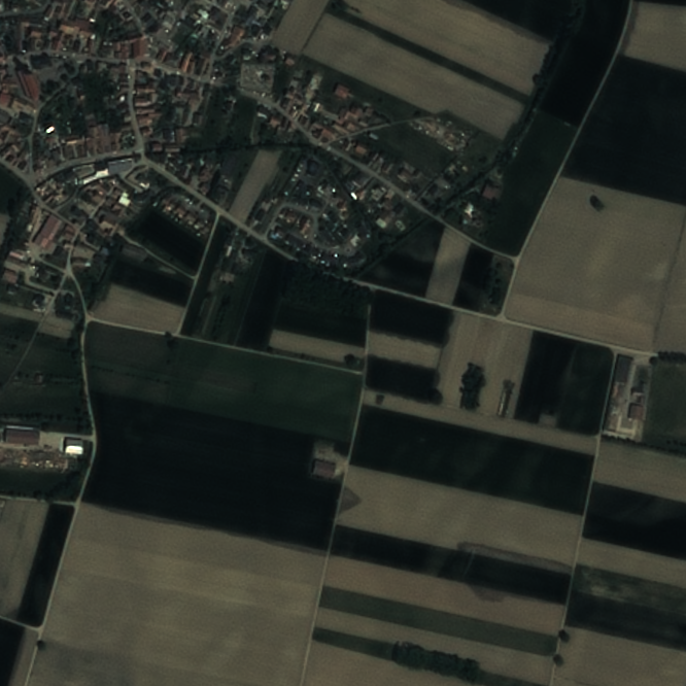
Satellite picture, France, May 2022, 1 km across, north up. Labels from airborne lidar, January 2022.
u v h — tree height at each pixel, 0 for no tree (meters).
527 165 0
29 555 0
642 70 0
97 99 0
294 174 0
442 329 0
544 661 0
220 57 0
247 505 0
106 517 0
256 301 0
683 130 0
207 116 0
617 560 0
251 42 0
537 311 0
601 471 0
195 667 0
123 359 0
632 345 0
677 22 0
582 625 0
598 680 0
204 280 0
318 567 0
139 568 0
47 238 0
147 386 0
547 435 0
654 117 0
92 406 0
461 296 0
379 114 11
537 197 0
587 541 0
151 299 0
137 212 0
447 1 0
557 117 0
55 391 0
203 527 0
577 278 0
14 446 0
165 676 0
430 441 0
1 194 0
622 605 0
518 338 0
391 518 0
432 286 0
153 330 0
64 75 7
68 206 0
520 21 0
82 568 0
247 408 0
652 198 0
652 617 0
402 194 0
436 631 0
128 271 0
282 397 0
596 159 0
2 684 0
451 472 0
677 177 0
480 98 0
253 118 0
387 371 0
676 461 0
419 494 0
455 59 0
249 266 0
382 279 0
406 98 0
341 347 0
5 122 0
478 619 0
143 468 0
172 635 0
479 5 0
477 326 0
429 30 0
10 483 0
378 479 0
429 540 0
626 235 0
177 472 0
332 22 0
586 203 0
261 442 0
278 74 0
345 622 0
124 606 0
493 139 0
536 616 0
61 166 0
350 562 0
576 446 0
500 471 0
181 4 0
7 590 0
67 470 0
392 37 0
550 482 0
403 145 0
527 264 0
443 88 0
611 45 0
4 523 0
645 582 0
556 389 0
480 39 0
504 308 0
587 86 0
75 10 0
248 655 0
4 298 0
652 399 0
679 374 0
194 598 0
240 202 0
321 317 0
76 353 10
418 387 0
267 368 0
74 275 0
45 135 0
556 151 0
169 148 0
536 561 0
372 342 0
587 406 0
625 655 0
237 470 0
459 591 0
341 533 0
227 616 0
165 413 0
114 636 0
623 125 0
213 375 0
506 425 0
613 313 0
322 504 0
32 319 0
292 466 0
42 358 0
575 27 18
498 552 0
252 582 0
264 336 0
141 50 0
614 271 0
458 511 0
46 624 0
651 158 0
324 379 0
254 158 0
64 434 0
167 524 0
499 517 0
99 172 0
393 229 0
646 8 0
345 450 0
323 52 0
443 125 0
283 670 0
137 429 0
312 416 0
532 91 0
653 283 0
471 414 0
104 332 0
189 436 0
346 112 0
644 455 0
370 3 0
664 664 0
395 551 0
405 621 0
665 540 0
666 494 0
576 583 0
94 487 0
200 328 0
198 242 0
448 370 0
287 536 0
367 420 0
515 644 0
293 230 0
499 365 0
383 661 0
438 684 0
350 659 0
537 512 0
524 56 0
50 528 0
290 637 0
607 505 0
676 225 0
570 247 0
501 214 0
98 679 0
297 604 0
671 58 0
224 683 0
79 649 0
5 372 0
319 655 0
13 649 0
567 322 0
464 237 0
